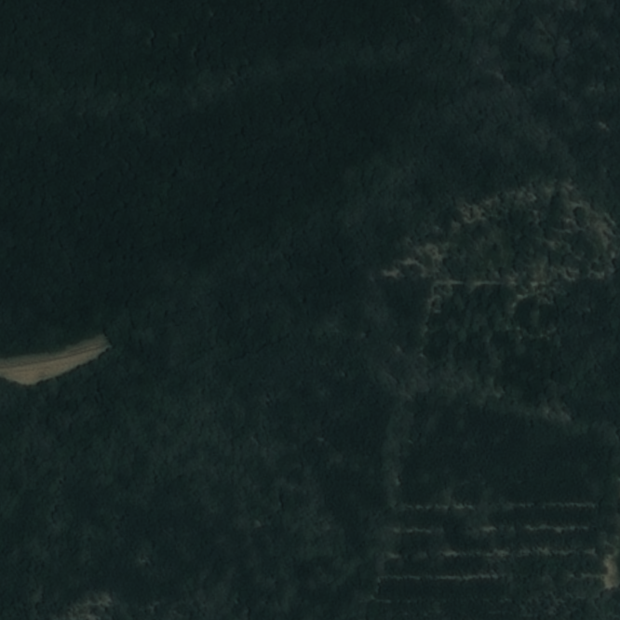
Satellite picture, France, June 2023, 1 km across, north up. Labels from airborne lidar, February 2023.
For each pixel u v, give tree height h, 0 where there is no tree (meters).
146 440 24
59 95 22
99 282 22
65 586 23
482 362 7
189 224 25
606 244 0
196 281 25
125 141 24
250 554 22
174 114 23
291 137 23
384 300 25
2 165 26
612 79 27
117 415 24
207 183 24
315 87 20
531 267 23
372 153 20
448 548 22
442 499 21
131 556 21
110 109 18
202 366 23
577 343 20
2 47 14
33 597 19
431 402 20
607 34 17
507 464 18
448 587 17
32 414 20
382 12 23
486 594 17
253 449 26
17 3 24
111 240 26
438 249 19
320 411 24
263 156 24
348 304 27
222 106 24
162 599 25
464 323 19
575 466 19
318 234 21
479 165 23
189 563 26
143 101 25
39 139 25
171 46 24
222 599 21
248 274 25
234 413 22
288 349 25
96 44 25
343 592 23
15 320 25
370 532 18
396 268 23
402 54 22
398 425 27
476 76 26
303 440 20
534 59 21
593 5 22
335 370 22
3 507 22
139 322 25
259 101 27
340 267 25
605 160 23
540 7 26
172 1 24
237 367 23
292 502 24
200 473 23
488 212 9
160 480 18
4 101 22
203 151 22
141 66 25
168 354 18
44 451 22
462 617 16
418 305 22
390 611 17
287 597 25
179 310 21
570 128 17
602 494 18
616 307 23
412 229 22
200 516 26
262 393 24
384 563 25
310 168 23
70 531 18
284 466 25
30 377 0
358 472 24
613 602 12
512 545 21
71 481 19
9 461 22
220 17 19
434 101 15
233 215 27
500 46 21
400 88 23
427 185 23
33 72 24
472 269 21
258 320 23
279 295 27
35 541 18
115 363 25
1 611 20
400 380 27
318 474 26
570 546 21
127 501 24
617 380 19
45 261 25
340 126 24
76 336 23
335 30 19
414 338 25
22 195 25
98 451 23
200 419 21
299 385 25
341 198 20
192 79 26
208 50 26
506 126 28
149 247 26
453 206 22
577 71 22
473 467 19
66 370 0
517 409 23
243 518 21
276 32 23
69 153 21
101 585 22
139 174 25
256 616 25
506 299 22
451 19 21
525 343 9
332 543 24
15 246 27
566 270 23
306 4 21
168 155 24
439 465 18
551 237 26
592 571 21
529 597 6
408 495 17
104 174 24
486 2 26
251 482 22
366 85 20
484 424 19
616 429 15
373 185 21
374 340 27
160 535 28
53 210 25
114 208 24
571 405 22
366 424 20
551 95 19
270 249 24
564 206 22
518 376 9
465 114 23
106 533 21
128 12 25
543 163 20
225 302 24
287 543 22
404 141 27
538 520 18
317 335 26
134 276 26
